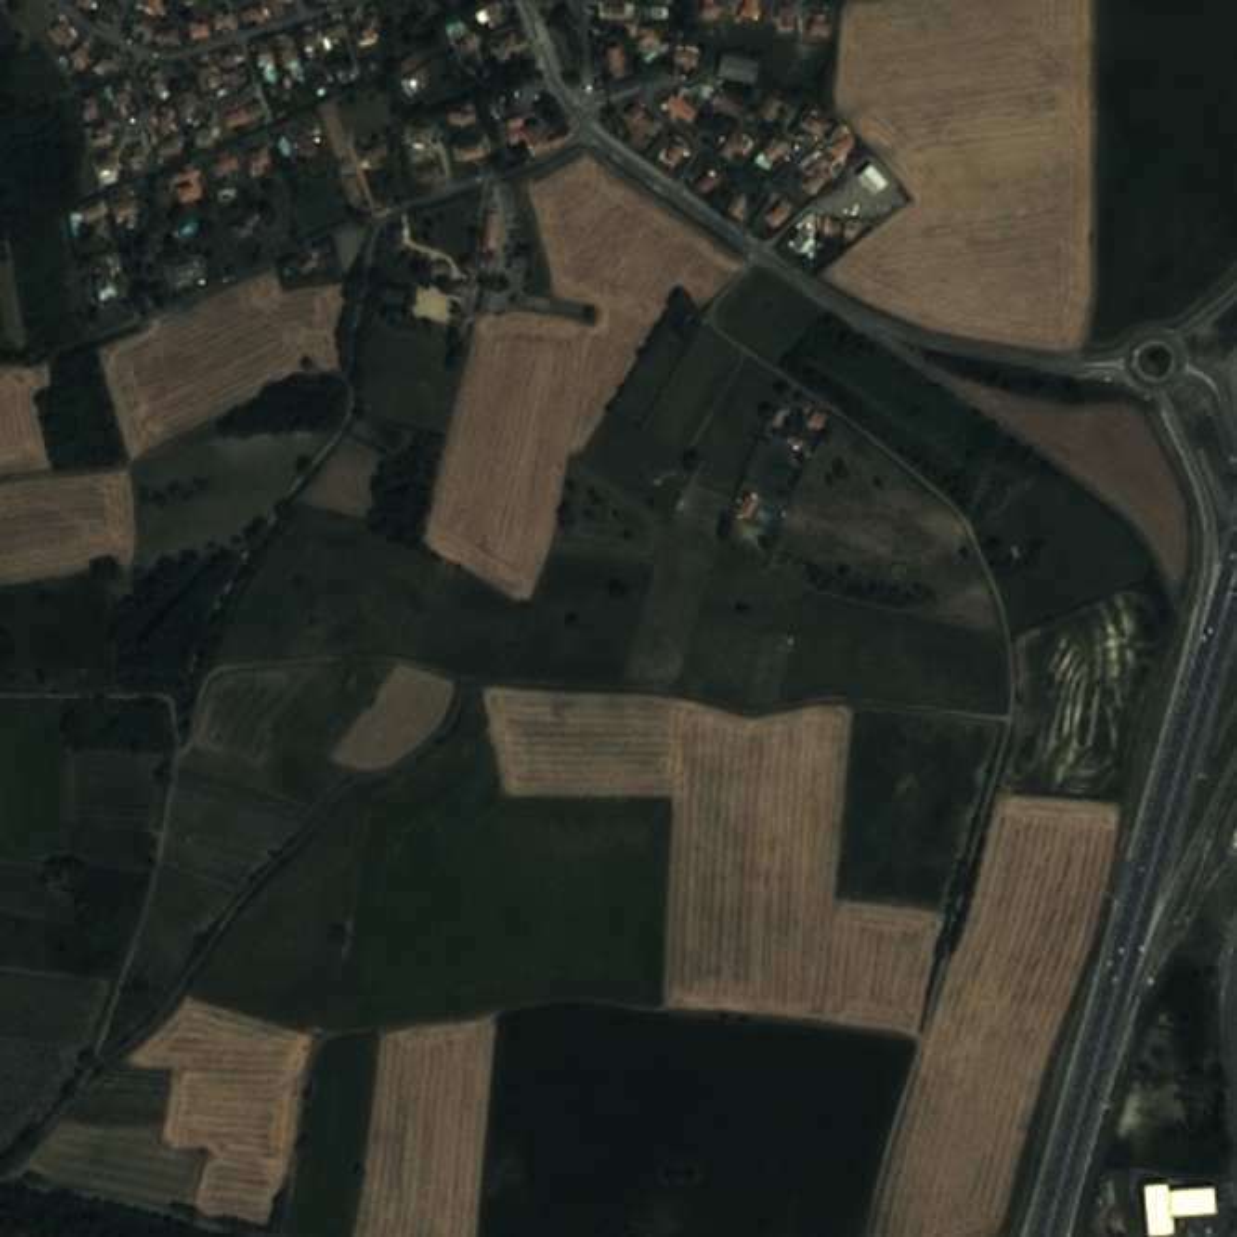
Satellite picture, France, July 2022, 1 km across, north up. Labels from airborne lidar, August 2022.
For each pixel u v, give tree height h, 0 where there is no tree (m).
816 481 0
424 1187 0
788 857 0
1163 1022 0
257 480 0
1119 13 0
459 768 0
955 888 9
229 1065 0
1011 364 0
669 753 0
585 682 0
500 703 0
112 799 0
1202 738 0
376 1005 0
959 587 0
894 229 0
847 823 0
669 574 0
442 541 0
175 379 0
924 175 0
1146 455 0
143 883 8
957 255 0
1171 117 0
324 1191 0
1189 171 0
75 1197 13
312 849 0
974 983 0
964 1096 0
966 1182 0
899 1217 0
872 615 0
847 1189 0
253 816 0
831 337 7
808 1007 0
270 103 8
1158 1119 0
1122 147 0
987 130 0
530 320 0
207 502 0
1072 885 0
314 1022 0
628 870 0
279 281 7
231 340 0
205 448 0
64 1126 0
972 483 7
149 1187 0
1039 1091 0
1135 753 0
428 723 0
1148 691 0
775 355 0
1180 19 0
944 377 0
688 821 0
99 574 14
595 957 0
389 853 0
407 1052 0
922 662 0
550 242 0
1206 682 0
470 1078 0
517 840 0
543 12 7
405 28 7
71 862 11
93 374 5
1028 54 0
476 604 0
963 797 0
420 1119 0
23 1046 0
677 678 0
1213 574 0
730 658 0
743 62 0
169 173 9
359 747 0
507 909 0
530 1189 0
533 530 0
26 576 0
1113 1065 0
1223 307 0
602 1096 0
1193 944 0
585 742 0
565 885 0
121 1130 0
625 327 0
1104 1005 0
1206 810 0
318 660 0
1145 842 0
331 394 8
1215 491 0
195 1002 0
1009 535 0
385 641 0
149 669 7
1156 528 0
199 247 7
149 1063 0
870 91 0
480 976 0
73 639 0
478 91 15
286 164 6
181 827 0
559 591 0
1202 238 0
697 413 0
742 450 0
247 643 0
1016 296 0
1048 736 0
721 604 0
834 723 0
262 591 0
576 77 9
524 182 0
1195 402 0
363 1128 0
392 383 0
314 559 0
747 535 0
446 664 0
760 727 0
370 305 11
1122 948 0
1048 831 0
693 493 0
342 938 11
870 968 0
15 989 0
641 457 0
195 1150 0
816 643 0
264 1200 0
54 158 10
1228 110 0
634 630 0
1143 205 0
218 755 0
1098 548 0
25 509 0
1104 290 0
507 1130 0
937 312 0
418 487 12
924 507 0
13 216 9
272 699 0
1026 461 6
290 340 0
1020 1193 0
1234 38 0
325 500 0
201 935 7
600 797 0
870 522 0
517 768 0
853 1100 0
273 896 0
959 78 0
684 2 14
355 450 0
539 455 0
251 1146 0
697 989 0
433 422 0
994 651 0
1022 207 0
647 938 0
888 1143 0
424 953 0
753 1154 0
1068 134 0
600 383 0
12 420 0
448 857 0
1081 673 0
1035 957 0
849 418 7
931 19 0
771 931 0
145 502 8
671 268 0
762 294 0
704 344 0
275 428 11
